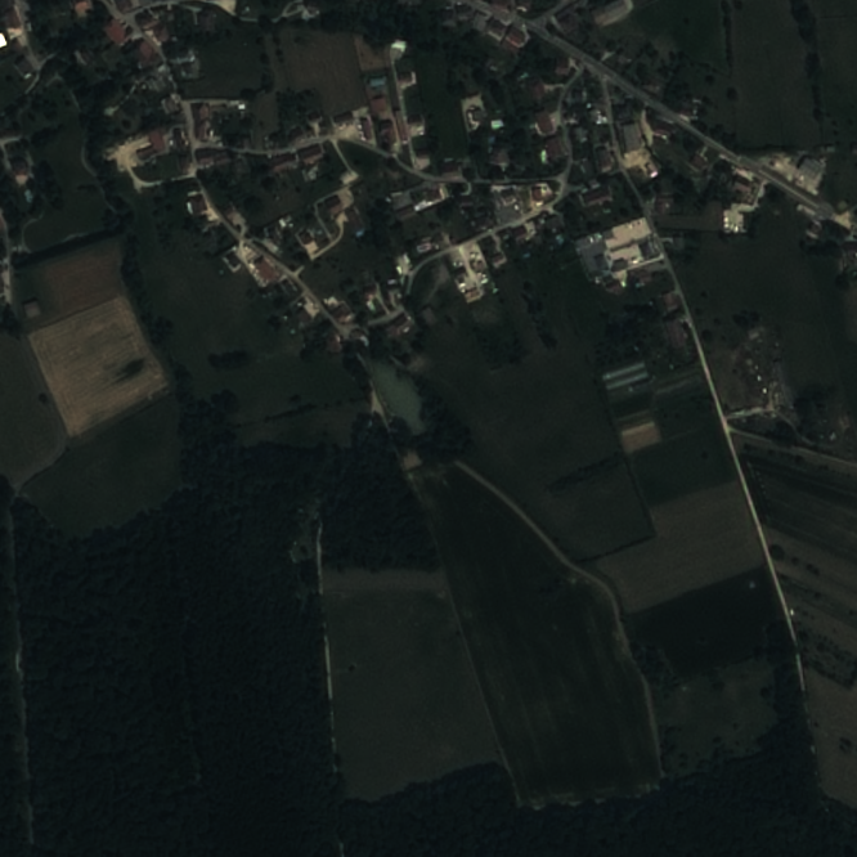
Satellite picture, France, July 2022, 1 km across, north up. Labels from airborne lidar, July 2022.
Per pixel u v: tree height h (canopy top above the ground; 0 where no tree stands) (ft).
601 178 39
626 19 0
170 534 28
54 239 0
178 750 18
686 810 96
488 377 0
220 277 0
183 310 0
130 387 0
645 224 0
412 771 0
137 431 0
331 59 0
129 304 0
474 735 0
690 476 0
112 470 0
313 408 20
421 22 38
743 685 0
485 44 0
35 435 0
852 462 0
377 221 54
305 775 69
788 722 54
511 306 0
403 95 0
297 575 34
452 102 0
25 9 0
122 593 88
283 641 68
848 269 22
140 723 87
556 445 0
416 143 0
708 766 33
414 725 0
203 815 82
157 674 52
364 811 64
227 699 74
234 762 71
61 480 0
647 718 0
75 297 0
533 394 0
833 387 0
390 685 0
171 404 0
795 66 0
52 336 0
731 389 0
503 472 0
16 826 79
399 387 0
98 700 72
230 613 73
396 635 0
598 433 0
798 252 0
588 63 0
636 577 0
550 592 53
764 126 0
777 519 0
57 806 72
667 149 0
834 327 0
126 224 48
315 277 0
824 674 31
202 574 72
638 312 30
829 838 73
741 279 0
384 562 64
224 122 27
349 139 0
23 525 65
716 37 0
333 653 0
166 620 17
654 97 36
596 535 0
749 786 34
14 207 50
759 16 0
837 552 0
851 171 0
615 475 0
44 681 92
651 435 0
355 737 0
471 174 39
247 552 73
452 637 0
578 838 91
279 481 55
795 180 0
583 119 39
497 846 96
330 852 70
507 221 0
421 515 75
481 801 80
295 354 0
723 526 0
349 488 61
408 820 78
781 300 0
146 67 30
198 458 66
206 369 0
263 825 76
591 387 0
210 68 0
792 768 67
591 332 0
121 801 85
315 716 71
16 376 0
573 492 0
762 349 0
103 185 32
